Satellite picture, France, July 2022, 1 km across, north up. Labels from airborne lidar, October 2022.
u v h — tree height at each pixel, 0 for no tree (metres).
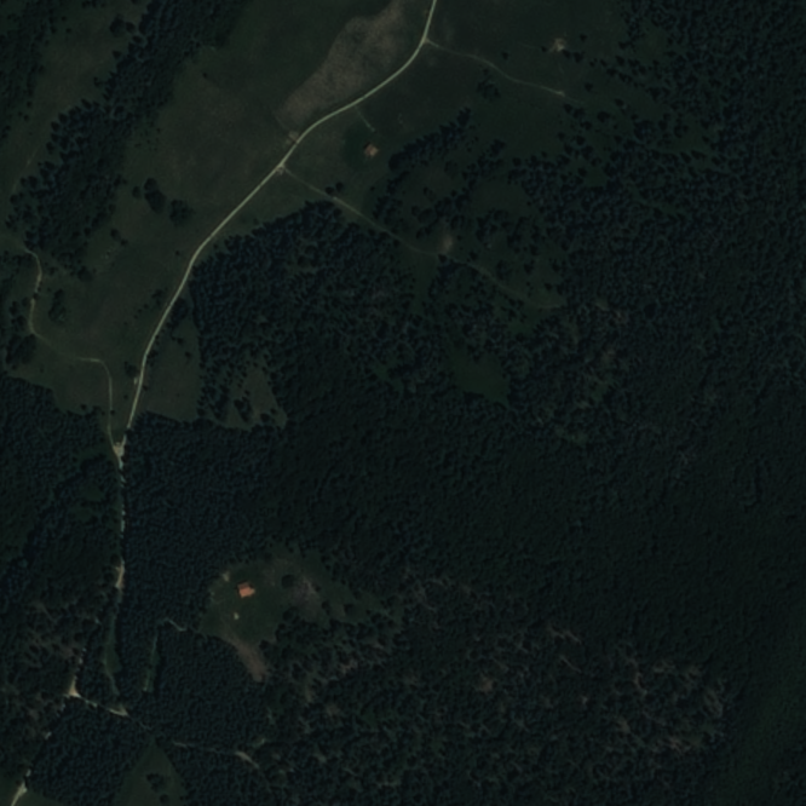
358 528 17
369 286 26
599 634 17
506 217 14
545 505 22
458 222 20
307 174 0
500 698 20
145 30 22
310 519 11
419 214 9
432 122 0
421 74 0
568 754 19
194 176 0
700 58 18
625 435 22
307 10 0
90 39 0
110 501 19
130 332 0
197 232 0
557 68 0
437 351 17
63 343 0
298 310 15
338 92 0
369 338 25
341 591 0
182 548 20
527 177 19
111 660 0
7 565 17
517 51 0
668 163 19
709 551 20
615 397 19
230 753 16
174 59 21
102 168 22
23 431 16
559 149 0
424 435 18
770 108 7
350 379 18
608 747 20
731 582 22
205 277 14
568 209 12
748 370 9
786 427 28
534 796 20
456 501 21
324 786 23
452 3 0
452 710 14
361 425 17
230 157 0
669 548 19
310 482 19
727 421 23
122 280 0
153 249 0
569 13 0
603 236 24
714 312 18
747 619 22
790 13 17
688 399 22
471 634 22
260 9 0
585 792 25
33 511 23
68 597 22
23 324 25
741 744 17
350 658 26
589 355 21
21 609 17
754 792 13
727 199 11
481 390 0
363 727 29
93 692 15
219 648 26
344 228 11
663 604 21
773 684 17
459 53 0
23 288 0
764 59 12
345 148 0
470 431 21
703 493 20
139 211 0
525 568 20
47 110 0
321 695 16
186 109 0
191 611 17
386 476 16
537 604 17
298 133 0
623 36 0
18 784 8
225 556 22
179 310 13
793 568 24
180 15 24
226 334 8
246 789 15
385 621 12
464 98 0
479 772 16
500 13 0
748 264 18
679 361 21
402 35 0
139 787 0
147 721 22
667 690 18
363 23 0
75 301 0
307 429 20
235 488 15
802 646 16
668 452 19
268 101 0
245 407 23
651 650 20
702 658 21
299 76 0
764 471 29
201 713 28
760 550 22
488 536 14
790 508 26
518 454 16
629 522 18
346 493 19
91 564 18
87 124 21
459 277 7
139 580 23
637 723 16
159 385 0
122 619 22
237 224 0
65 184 19
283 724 16
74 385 0
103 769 19
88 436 22
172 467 23
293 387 18
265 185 0
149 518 21
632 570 22
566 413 20
